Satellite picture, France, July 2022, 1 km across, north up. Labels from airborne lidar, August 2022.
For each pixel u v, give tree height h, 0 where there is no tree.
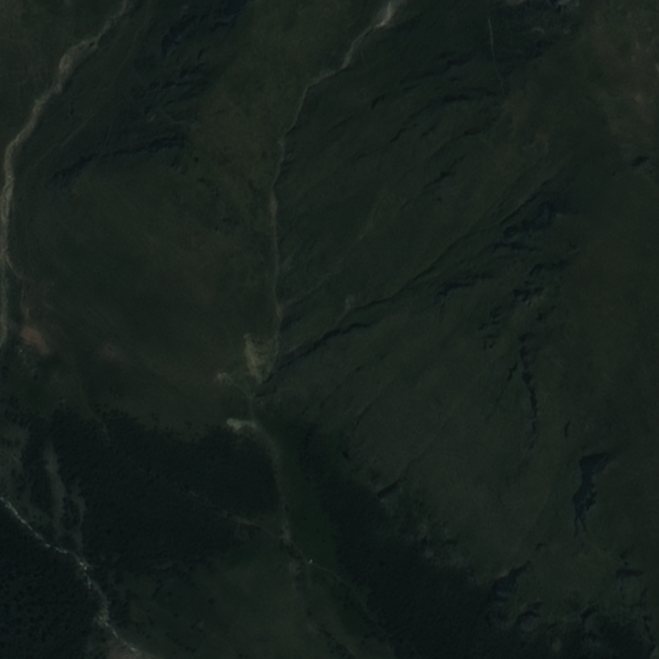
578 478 0
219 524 8
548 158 0
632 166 0
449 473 0
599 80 0
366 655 0
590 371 0
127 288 0
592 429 0
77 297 0
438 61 0
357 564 6
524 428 0
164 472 7
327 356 0
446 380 0
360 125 0
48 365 0
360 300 0
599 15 0
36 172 0
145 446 9
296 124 0
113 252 0
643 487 0
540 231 0
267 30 0
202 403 0
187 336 0
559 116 0
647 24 0
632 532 0
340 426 0
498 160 0
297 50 0
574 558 0
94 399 0
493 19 0
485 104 0
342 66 0
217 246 0
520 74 0
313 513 0
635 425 0
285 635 0
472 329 0
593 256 0
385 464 0
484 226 0
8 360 0
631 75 0
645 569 0
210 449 7
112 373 0
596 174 0
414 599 6
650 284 0
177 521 9
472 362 0
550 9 0
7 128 0
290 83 0
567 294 0
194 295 0
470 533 0
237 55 0
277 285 0
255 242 0
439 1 0
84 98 0
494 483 0
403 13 0
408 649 8
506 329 0
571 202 0
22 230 0
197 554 9
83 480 12
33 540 10
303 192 0
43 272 0
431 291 0
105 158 0
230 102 0
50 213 0
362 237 0
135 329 0
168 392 0
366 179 0
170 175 0
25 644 7
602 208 0
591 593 0
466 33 0
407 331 0
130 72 0
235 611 0
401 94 0
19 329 0
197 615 0
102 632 7
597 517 0
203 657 0
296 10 0
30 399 0
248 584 0
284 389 0
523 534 0
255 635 0
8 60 0
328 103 0
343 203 0
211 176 0
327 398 0
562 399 0
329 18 0
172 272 0
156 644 0
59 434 5
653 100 0
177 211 0
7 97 0
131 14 0
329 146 0
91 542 6
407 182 0
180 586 0
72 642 8
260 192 0
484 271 0
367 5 0
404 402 0
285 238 0
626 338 0
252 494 6
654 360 0
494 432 0
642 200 0
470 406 0
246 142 0
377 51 0
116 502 8
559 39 0
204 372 0
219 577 0
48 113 0
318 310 0
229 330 0
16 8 0
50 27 0
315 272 0
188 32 0
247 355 0
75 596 13
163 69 0
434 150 0
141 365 0
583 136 0
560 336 0
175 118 0
